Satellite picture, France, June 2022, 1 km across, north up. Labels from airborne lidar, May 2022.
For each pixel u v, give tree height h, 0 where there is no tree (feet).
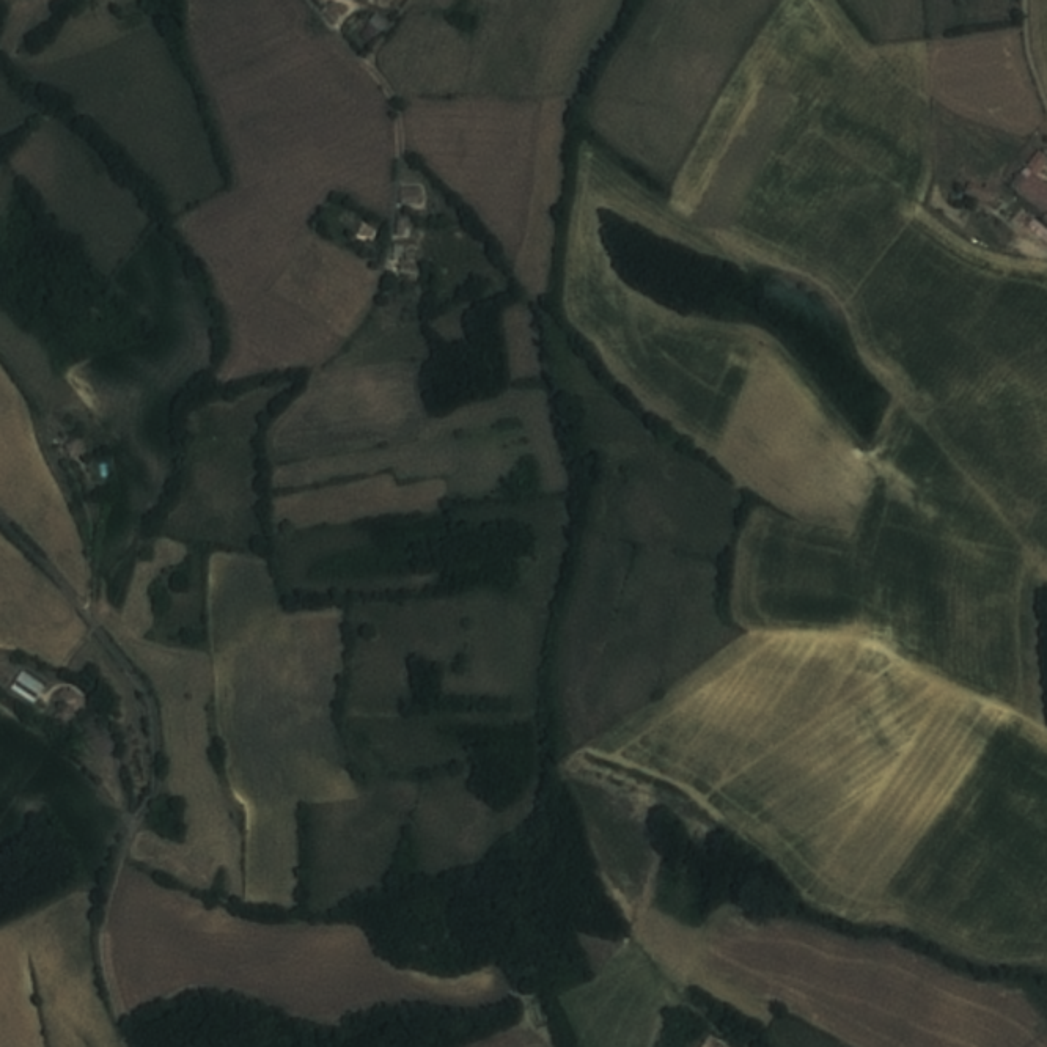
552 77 0
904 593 0
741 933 0
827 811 0
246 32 0
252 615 0
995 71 0
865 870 0
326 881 0
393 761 0
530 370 0
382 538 18
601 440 0
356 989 0
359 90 0
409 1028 82
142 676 31
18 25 0
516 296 66
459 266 0
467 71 0
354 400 0
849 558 0
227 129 0
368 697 0
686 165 0
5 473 0
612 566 0
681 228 0
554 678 28
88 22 0
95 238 0
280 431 0
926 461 0
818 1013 0
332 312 0
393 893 70
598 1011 0
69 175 0
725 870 77
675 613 0
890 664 0
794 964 0
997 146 0
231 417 0
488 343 64
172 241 32
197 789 0
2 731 0
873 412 19
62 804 0
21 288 22
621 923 49
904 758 0
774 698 0
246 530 0
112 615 0
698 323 0
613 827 0
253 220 0
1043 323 0
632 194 0
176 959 0
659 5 0
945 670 0
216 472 0
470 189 0
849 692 0
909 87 0
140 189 66
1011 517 0
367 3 0
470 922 73
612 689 0
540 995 22
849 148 0
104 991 34
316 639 0
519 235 0
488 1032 39
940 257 0
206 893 31
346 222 0
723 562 53
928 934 0
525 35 0
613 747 0
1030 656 0
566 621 0
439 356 54
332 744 0
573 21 0
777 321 40
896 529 0
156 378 0
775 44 0
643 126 0
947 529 0
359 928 34
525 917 33
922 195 0
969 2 0
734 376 0
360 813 0
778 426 0
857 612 0
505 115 0
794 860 0
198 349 0
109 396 0
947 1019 0
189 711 0
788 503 0
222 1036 75
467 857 0
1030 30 0
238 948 0
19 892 58
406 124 0
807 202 0
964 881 0
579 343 56
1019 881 0
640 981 0
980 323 0
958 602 0
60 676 33
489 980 0
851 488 0
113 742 38
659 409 0
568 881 32
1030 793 0
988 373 0
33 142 0
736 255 0
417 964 33
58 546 0
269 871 0
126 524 0
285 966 0
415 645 0
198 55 0
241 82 0
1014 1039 0
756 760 0
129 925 0
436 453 0
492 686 0
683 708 0
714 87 0
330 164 0
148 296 0
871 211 0
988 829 0
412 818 28
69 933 0
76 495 19
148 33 0
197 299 0
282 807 0
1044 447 0
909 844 0
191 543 21
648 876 0
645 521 0
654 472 0
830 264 0
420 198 0
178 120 0
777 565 0
